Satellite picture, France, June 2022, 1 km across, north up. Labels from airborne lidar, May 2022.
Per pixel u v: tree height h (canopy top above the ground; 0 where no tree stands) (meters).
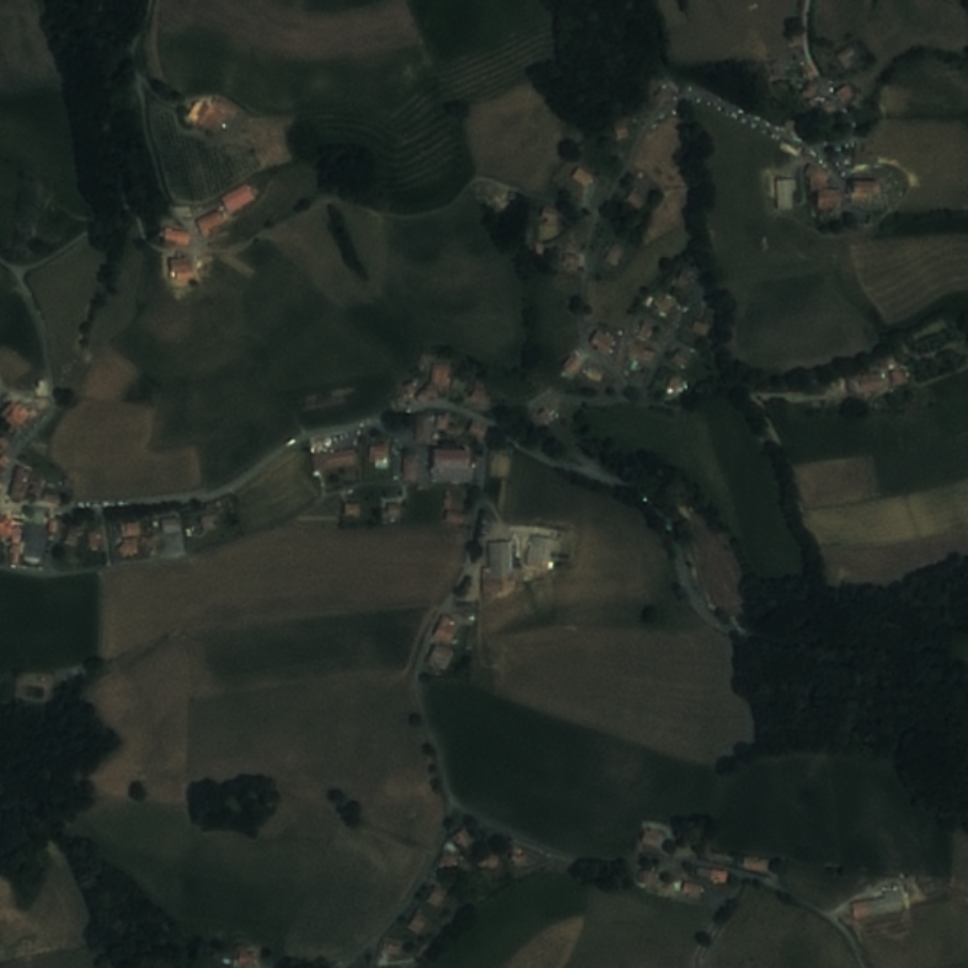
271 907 0
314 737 0
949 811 22
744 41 0
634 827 0
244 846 0
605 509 0
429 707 0
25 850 20
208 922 0
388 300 0
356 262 8
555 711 0
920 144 0
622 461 10
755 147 0
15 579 0
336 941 0
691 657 0
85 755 20
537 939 0
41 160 0
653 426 0
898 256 0
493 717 0
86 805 19
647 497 18
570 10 14
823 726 22
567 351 0
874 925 0
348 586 0
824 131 11
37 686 0
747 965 0
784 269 0
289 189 0
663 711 0
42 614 0
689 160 16
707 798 0
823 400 0
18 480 0
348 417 0
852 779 0
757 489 0
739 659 14
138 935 20
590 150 0
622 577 0
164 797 0
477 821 13
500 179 0
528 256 14
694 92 0
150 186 24
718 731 0
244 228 0
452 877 13
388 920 0
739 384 15
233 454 0
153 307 0
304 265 0
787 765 0
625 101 21
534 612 0
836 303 0
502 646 0
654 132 0
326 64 0
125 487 0
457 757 0
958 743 19
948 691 21
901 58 7
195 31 0
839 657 23
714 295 11
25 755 17
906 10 0
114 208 27
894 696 20
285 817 0
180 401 0
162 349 0
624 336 0
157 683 0
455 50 0
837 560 0
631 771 0
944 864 0
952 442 0
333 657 0
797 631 22
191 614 0
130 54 10
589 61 22
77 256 0
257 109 0
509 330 0
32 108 0
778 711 23
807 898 0
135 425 0
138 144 14
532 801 0
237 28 0
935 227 0
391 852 0
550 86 19
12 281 0
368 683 0
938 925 0
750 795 0
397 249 0
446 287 0
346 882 0
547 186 0
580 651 0
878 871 0
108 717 0
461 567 0
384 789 0
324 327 0
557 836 0
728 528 10
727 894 0
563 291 0
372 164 16
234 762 0
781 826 0
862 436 0
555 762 0
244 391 0
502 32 0
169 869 0
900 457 0
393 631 0
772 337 0
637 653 0
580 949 0
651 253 0
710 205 19
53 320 0
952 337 8
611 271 0
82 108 22
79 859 19
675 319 0
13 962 0
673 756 0
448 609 0
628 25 30
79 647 0
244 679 0
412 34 0
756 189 0
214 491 0
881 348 9
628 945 0
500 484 0
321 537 0
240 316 0
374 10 0
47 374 0
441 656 0
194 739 0
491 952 0
